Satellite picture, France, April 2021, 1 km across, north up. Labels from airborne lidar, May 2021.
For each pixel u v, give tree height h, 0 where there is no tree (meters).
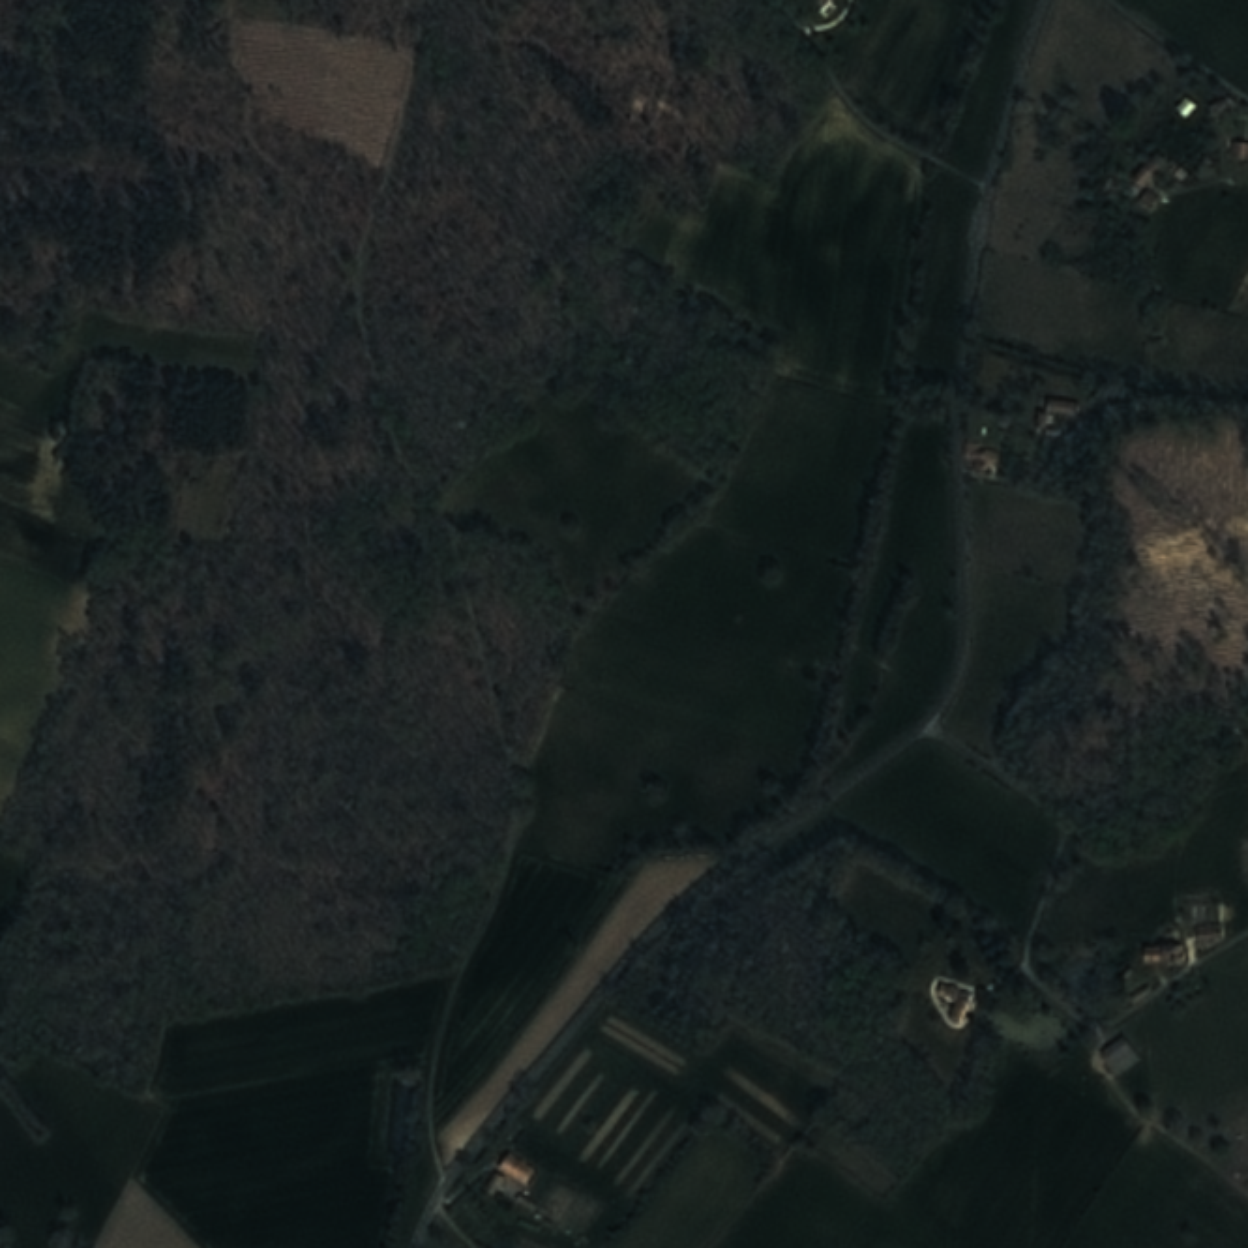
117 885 15
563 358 16
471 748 14
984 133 0
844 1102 17
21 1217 0
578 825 0
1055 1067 0
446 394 20
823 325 0
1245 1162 0
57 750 17
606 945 0
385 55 0
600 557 0
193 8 12
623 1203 0
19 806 13
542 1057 0
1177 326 0
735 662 0
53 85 16
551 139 14
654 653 0
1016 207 0
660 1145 0
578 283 22
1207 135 9
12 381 0
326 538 17
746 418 21
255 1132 0
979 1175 0
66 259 14
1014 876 0
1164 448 0
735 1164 0
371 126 0
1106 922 0
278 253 11
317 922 10
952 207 0
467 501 0
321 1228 0
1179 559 0
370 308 10
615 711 0
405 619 21
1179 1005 9
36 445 0
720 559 0
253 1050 0
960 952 7
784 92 19
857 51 0
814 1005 17
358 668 27
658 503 0
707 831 0
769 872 12
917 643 0
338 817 13
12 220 20
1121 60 0
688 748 0
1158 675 20
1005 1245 0
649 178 17
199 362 0
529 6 12
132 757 18
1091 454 25
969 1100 23
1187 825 19
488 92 14
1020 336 0
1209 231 0
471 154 12
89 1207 0
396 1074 21
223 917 22
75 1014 16
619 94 15
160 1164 0
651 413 24
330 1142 0
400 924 20
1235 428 21
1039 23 0
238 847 17
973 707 0
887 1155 18
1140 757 22
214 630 12
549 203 15
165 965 18
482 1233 0
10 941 22
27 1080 0
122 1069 13
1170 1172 0
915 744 0
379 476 17
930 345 0
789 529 0
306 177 12
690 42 20
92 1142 0
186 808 19
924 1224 0
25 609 0
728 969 13
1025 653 0
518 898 0
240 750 11
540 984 0
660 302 22
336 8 20
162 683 18
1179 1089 0
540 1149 0
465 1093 0
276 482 12
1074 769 16
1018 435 21
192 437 17
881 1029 21
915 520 0
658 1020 8
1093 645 17
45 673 0
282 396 14
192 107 9
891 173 0
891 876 19
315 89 0
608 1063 0
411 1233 0
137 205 20
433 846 19
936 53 0
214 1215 0
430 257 14
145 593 15
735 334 14
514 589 17
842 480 0
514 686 9
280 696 16
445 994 0
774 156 16
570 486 0
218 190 15
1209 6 0
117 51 22
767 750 0
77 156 16
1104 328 0
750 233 0
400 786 15
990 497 0
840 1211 0
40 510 0
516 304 15
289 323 8
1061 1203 0
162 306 12
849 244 0
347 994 16
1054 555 0
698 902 13
